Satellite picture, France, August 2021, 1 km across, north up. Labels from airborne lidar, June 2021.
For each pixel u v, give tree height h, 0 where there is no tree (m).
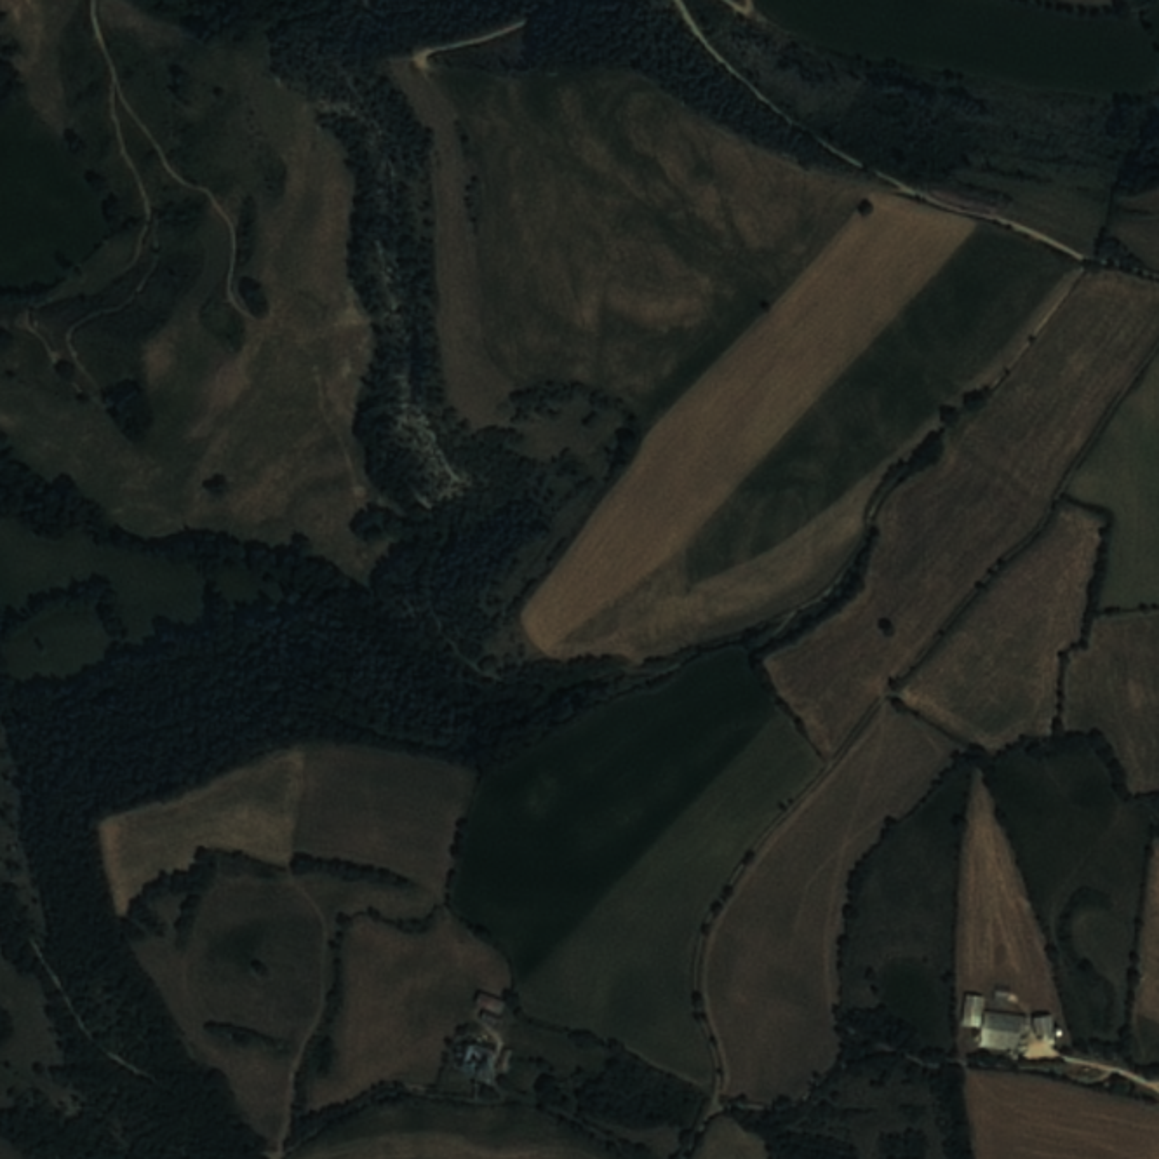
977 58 0
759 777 0
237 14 17
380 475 16
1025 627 0
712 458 0
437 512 12
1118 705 0
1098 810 0
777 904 0
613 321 0
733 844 0
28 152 0
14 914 10
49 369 0
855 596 7
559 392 9
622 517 0
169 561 13
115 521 0
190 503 0
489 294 0
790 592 0
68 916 10
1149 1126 0
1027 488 0
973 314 0
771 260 0
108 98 0
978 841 0
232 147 0
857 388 0
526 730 14
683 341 0
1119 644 0
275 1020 0
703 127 0
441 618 7
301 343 0
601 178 0
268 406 0
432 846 0
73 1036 10
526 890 0
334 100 6
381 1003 0
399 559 17
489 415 0
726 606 0
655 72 9
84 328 0
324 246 0
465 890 0
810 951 0
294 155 0
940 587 0
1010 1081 0
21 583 0
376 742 8
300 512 0
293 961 0
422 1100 5
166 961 0
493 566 9
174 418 0
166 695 14
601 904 0
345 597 21
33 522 18
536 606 0
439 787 0
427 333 5
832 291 0
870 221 0
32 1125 13
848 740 0
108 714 12
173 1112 11
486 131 0
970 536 0
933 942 0
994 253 0
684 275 0
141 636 0
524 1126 0
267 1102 0
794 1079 0
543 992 0
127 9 0
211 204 0
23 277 0
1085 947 0
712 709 0
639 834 0
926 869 0
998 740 0
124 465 0
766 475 0
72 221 0
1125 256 8
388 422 10
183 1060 11
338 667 10
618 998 0
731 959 0
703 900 0
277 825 0
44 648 11
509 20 14
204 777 13
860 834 0
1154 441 0
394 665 16
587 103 0
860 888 8
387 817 0
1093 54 0
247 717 14
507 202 0
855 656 0
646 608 0
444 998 0
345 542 0
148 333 0
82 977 7
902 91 16
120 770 14
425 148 9
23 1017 0
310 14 14
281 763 0
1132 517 0
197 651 18
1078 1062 0
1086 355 0
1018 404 0
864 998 0
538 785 0
